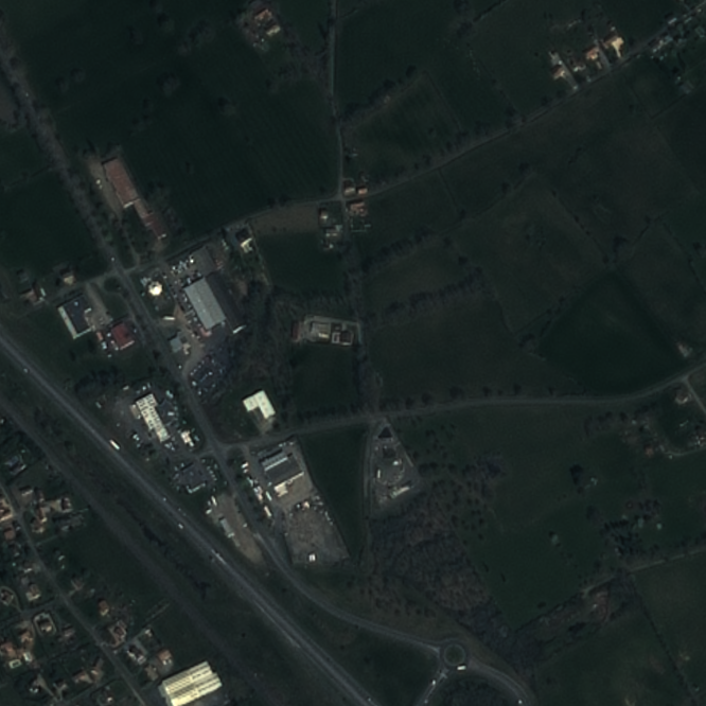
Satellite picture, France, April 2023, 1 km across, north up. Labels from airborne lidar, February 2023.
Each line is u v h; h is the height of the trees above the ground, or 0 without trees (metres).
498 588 0
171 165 0
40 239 0
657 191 0
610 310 0
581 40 0
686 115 0
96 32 0
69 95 0
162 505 0
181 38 0
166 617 0
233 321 0
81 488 0
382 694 0
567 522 0
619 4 0
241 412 0
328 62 11
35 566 0
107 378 15
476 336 0
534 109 0
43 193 0
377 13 0
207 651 0
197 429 0
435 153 0
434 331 0
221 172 0
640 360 0
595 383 0
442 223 0
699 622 0
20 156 0
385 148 0
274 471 0
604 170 0
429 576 9
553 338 0
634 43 14
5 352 0
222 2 0
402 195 0
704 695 0
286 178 0
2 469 0
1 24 17
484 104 0
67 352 0
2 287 0
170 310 0
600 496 0
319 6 0
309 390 0
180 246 0
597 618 0
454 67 0
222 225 0
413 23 0
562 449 0
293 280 0
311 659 0
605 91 0
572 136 0
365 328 16
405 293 0
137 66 0
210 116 0
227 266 0
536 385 0
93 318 0
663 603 0
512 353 0
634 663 0
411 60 0
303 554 0
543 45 0
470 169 0
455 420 0
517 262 0
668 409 0
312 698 0
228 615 0
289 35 14
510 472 0
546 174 0
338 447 0
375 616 0
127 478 0
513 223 0
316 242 0
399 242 0
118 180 0
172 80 12
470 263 11
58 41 0
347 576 0
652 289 0
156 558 0
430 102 0
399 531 6
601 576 13
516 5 0
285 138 0
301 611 0
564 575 0
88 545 0
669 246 0
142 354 0
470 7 16
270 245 0
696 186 0
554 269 0
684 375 0
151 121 8
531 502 0
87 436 0
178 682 0
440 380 0
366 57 0
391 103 18
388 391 0
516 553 0
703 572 0
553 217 0
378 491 0
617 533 7
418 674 0
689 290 0
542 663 7
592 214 0
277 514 0
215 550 0
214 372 0
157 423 0
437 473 16
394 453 0
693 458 0
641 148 0
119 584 0
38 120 20
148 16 0
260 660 0
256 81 0
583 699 0
